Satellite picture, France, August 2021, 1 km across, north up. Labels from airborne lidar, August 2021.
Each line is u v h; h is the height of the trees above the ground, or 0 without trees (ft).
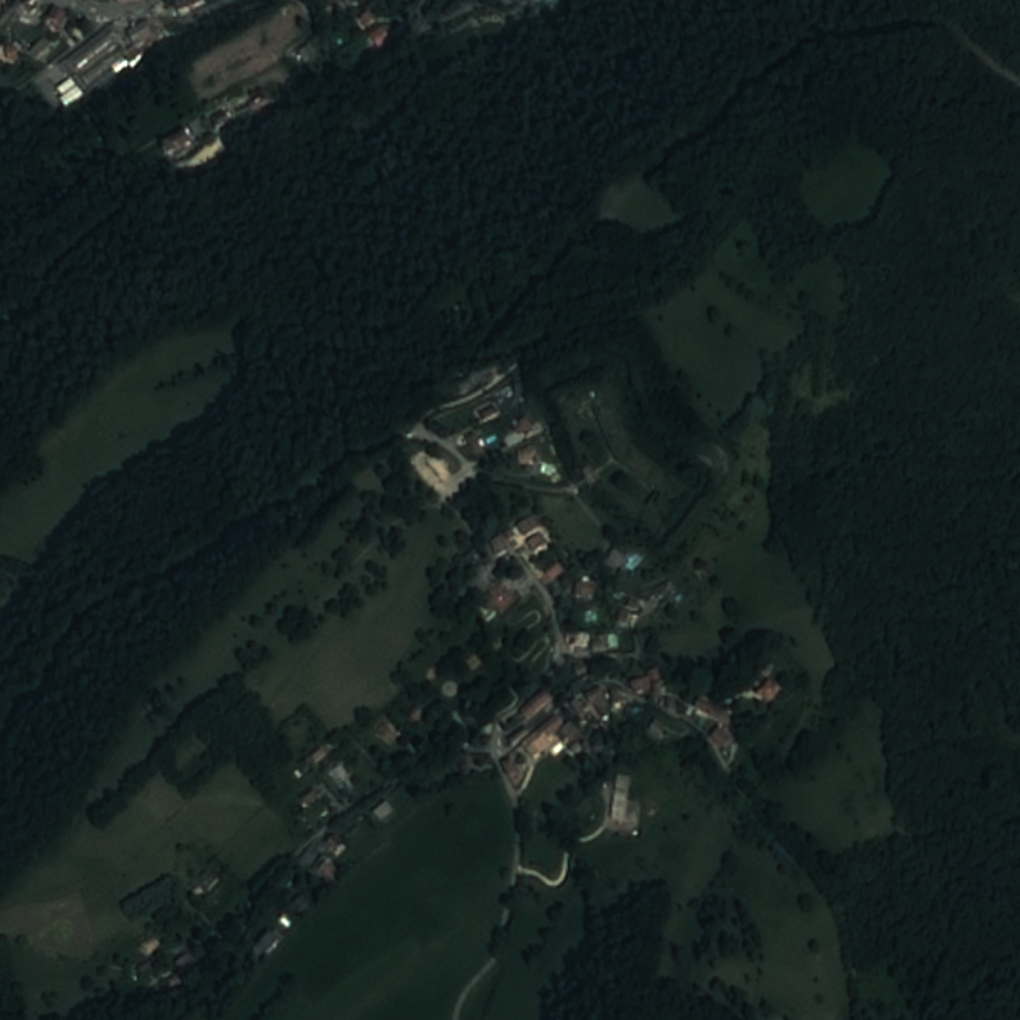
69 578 70
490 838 0
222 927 33
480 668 0
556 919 46
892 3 94
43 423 71
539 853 0
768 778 38
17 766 91
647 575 49
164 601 80
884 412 59
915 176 75
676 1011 85
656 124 78
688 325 0
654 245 74
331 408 69
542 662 0
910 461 57
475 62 50
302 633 53
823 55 92
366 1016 0
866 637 32
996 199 48
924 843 53
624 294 53
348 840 24
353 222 59
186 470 83
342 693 0
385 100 74
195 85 0
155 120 0
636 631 29
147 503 81
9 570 52
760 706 42
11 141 90
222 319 73
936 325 65
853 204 0
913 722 84
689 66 91
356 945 0
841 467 93
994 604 83
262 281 88
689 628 0
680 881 0
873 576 57
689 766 36
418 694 50
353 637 0
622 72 39
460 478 0
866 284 53
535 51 98
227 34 39
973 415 85
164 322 68
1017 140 60
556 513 0
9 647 87
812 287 0
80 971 0
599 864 0
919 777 77
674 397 27
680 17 80
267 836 0
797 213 80
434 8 35
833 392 36
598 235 43
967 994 112
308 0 59
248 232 53
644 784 0
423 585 0
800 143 64
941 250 52
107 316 78
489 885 0
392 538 29
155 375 0
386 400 64
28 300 81
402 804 0
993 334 52
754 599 0
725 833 0
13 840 72
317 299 84
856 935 37
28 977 0
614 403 0
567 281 61
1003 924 86
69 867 0
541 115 75
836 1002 0
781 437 53
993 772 39
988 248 70
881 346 55
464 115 65
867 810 0
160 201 94
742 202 65
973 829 70
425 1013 0
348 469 60
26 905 0
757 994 0
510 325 44
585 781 26
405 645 0
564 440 18
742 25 99
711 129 25
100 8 0
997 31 66
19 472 78
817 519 59
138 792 42
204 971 53
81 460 0
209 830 0
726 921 39
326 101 80
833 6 78
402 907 0
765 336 0
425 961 0
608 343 26
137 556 75
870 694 46
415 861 0
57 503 0
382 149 76
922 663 76
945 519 84
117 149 58
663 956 21
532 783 0
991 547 69
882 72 85
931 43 73
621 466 0
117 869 0
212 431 72
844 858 35
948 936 96
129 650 68
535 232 82
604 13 75
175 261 70
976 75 75
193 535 83
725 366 0
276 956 0
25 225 93
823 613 51
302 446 90
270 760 40
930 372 73
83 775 63
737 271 0
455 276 67
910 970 34
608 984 70
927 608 82
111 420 0
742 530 26
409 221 100
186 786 30
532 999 0
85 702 90
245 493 87
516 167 92
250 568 73
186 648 70
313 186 58
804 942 0
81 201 83
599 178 52
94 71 0
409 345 81
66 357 72
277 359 92
